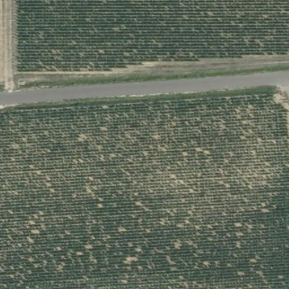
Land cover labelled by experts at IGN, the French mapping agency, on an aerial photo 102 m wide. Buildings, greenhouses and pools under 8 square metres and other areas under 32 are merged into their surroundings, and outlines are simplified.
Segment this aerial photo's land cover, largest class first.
<instances>
[{"label":"vineyard","instance_id":"1","mask_svg":"<svg viewBox=\"0 0 289 289\"><path fill-rule=\"evenodd\" d=\"M289 52V0H0V84L5 86L8 93L12 91L15 86L12 69L45 70L51 71V75H70L73 78L111 77L131 75L134 71H146L147 67L160 65L161 61L242 58V55L248 54ZM0 289H289V94L277 87L260 86L194 94L63 99L61 104H24L7 108L0 105Z\"/></svg>","mask_w":289,"mask_h":289},{"label":"herbaceous vegetation","instance_id":"2","mask_svg":"<svg viewBox=\"0 0 289 289\"><path fill-rule=\"evenodd\" d=\"M289 71V52L248 54L242 55V58L161 61L160 65L147 67L146 71H134L131 75L111 77L73 78L70 75H51V71L45 70L12 69L15 86L12 91L15 93L19 89L40 86L52 88L121 84Z\"/></svg>","mask_w":289,"mask_h":289},{"label":"impervious surface","instance_id":"3","mask_svg":"<svg viewBox=\"0 0 289 289\"><path fill-rule=\"evenodd\" d=\"M260 86L277 87L289 94V71L121 84L52 88L40 86L19 89L15 93L12 91L8 93L5 86L0 84V105L7 108L24 104H61L63 99L194 94Z\"/></svg>","mask_w":289,"mask_h":289}]
</instances>
